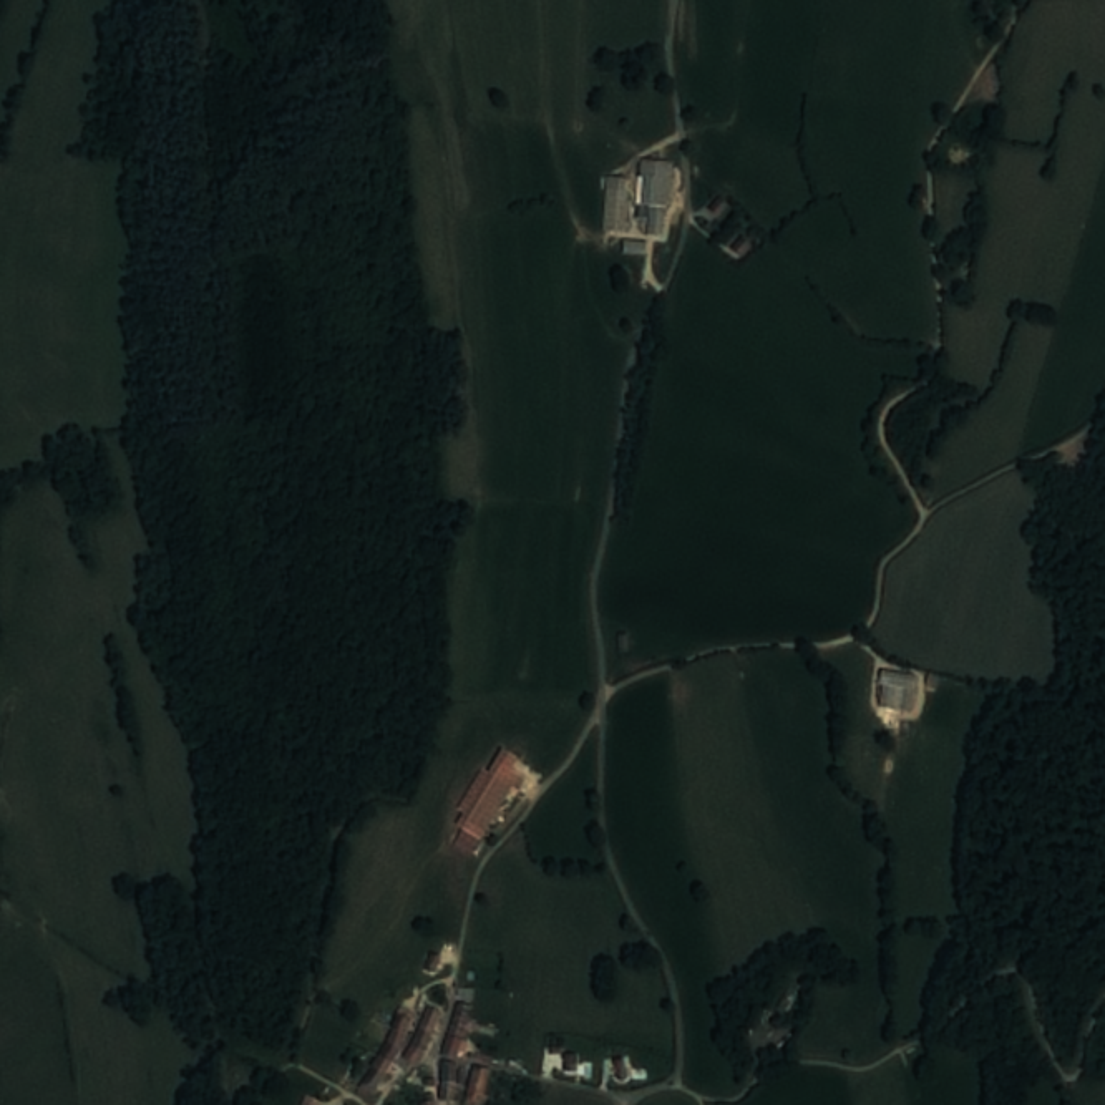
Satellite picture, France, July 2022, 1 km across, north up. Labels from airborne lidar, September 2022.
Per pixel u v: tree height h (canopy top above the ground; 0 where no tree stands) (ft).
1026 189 0
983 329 0
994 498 0
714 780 0
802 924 0
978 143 40
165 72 54
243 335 21
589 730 0
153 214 64
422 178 0
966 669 0
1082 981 23
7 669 0
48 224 0
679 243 0
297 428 43
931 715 0
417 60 0
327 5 57
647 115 0
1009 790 72
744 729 0
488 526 0
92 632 0
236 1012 57
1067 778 64
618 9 0
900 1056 0
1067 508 40
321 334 58
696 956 0
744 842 0
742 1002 53
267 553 53
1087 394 0
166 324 57
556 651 0
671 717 0
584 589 0
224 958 60
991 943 76
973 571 0
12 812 0
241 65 28
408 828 0
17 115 45
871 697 0
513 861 0
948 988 68
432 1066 0
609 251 0
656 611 0
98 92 29
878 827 61
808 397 0
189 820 0
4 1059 0
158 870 0
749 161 0
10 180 0
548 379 0
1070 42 0
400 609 57
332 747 81
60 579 0
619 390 0
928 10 0
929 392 37
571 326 0
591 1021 0
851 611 0
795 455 0
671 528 0
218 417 52
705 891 43
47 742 0
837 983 50
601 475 0
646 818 0
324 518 37
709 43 0
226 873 58
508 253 0
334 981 0
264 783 51
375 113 50
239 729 27
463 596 0
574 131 0
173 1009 60
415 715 78
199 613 41
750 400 0
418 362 52
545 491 0
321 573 59
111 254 0
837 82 0
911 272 0
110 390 0
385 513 55
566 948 0
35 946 0
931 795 0
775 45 0
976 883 88
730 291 0
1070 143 0
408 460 64
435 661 71
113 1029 0
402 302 66
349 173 34
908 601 0
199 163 35
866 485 0
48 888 0
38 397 0
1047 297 0
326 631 61
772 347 0
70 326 0
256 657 57
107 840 0
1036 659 0
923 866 0
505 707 0
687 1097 0
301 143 94
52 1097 0
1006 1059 48
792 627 0
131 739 47
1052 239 0
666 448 0
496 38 0
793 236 0
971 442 0
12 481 56
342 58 73
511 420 0
